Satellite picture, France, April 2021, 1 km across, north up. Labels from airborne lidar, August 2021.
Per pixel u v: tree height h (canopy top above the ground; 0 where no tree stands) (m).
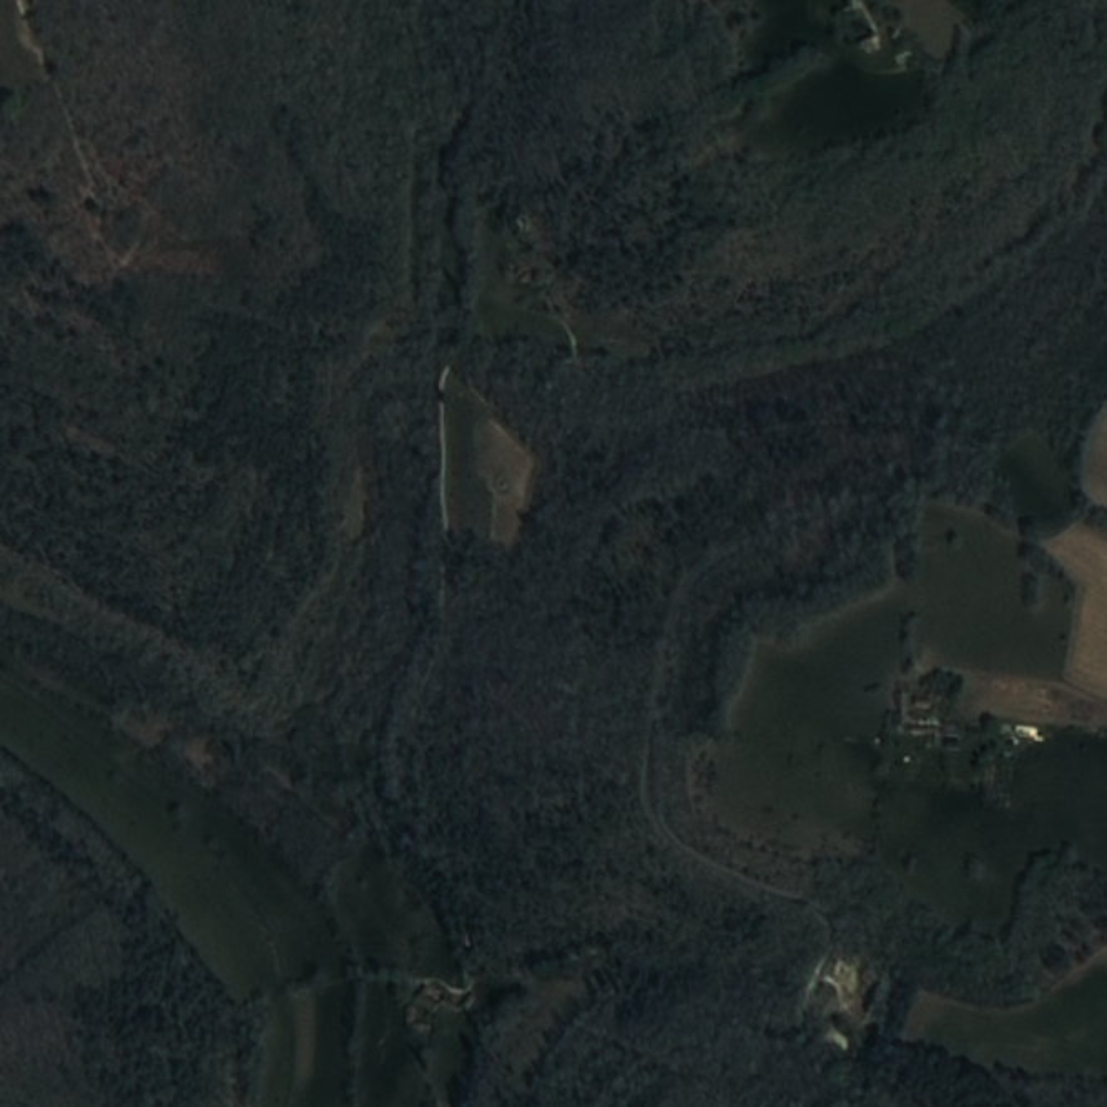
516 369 20
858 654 0
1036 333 6
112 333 20
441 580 10
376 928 0
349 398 20
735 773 0
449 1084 0
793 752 0
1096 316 6
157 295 13
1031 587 15
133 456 6
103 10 14
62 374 8
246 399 17
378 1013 0
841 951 14
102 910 13
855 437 8
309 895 8
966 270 18
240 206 19
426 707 14
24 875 10
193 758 0
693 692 20
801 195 15
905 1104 23
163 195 17
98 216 16
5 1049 15
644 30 23
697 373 20
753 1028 15
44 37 21
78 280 13
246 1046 17
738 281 12
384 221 29
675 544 14
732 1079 20
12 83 0
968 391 7
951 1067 22
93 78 13
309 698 9
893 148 14
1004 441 10
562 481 9
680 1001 18
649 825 11
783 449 25
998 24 20
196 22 18
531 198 10
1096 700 0
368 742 10
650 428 15
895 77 0
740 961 17
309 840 17
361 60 22
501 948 6
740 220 8
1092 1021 0
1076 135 18
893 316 22
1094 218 7
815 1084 17
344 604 6
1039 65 19
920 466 8
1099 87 24
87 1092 14
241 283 14
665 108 16
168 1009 14
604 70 19
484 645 15
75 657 16
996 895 0
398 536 13
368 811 21
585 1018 18
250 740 8
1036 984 15
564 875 17
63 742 6
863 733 0
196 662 7
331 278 19
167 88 11
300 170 24
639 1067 12
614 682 14
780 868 14
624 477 12
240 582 13
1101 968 0
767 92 19
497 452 0
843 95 0
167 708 23
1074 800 0
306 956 0
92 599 17
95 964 17
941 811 0
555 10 17
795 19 0
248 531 13
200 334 15
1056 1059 0
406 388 13
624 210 18
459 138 16
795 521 16
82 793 0
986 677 0
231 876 0
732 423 8
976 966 20
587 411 17
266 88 19
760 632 19
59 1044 15
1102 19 18
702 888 12
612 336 0
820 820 0
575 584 12
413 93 22
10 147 14
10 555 8
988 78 21
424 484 10
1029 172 13
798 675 0
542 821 13
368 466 8
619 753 16
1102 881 15
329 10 25
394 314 11
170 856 0
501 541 0
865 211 19
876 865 7
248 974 0
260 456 18
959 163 20
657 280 22
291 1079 0
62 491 10
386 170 24
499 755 10
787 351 21
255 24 21
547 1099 18
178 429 11
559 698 15
